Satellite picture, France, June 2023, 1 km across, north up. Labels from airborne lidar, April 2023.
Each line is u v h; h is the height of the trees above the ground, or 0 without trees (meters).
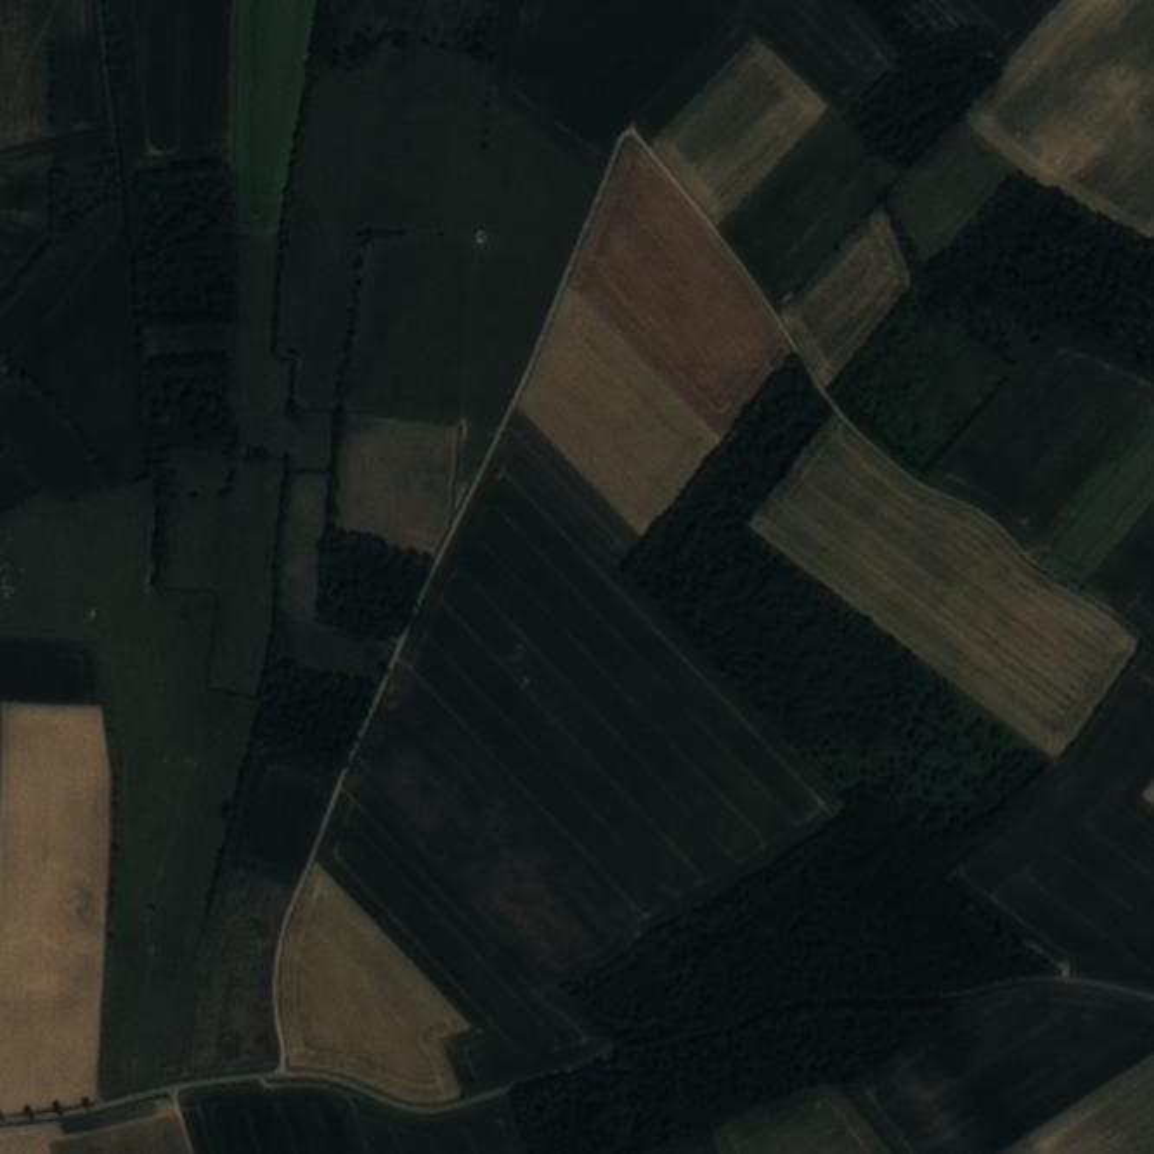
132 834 0
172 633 0
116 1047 0
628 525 0
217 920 0
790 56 0
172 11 0
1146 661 0
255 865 0
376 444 0
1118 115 0
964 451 0
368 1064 0
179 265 18
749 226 0
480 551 0
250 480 0
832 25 0
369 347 0
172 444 12
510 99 0
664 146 0
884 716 9
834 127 0
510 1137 0
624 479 0
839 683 12
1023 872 0
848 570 0
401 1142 0
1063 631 0
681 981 20
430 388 0
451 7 0
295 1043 0
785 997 15
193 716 0
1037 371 0
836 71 0
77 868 0
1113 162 0
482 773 0
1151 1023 0
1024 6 0
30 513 0
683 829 0
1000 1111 0
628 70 0
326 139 0
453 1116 0
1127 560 0
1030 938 0
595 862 0
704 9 0
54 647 0
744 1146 0
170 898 0
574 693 0
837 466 0
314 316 0
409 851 0
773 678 11
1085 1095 0
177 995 0
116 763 0
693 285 0
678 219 0
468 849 0
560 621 0
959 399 0
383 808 0
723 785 0
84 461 0
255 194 0
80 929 0
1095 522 0
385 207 0
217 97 0
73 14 0
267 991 0
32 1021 0
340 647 0
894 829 12
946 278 14
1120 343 8
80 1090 0
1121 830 0
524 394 0
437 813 0
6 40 0
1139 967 0
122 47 9
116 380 0
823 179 0
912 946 14
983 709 0
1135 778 0
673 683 0
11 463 0
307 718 12
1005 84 0
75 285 0
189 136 0
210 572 0
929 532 0
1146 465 0
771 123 0
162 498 12
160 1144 0
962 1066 0
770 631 12
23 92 0
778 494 0
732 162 0
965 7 0
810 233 0
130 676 0
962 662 0
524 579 0
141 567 0
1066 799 0
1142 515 0
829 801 0
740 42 0
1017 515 0
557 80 0
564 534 0
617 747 0
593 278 0
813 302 0
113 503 0
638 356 0
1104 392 0
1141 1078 0
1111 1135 0
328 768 9
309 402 0
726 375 0
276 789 0
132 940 0
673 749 0
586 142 0
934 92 11
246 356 0
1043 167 0
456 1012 0
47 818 0
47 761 0
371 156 0
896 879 15
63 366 0
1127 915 0
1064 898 0
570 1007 0
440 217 0
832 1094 0
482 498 0
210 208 14
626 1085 11
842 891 14
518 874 0
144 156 0
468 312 0
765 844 0
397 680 0
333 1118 0
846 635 13
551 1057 0
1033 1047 0
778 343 0
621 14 0
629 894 0
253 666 0
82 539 0
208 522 0
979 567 0
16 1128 0
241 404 0
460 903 0
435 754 0
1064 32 0
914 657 10
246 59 0
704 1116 18
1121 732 0
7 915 0
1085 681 0
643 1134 16
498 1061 0
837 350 0
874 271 0
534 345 0
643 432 0
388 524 0
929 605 0
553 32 0
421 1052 0
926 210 0
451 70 0
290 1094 0
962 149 0
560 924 0
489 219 0
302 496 0
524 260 0
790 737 11
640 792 0
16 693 0
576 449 0
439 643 0
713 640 10
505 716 0
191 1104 0
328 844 0
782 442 7
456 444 0
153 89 0
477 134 0
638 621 0
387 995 0
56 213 8
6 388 0
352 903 0
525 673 0
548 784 0
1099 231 7
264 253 0
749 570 8
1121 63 0
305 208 0
